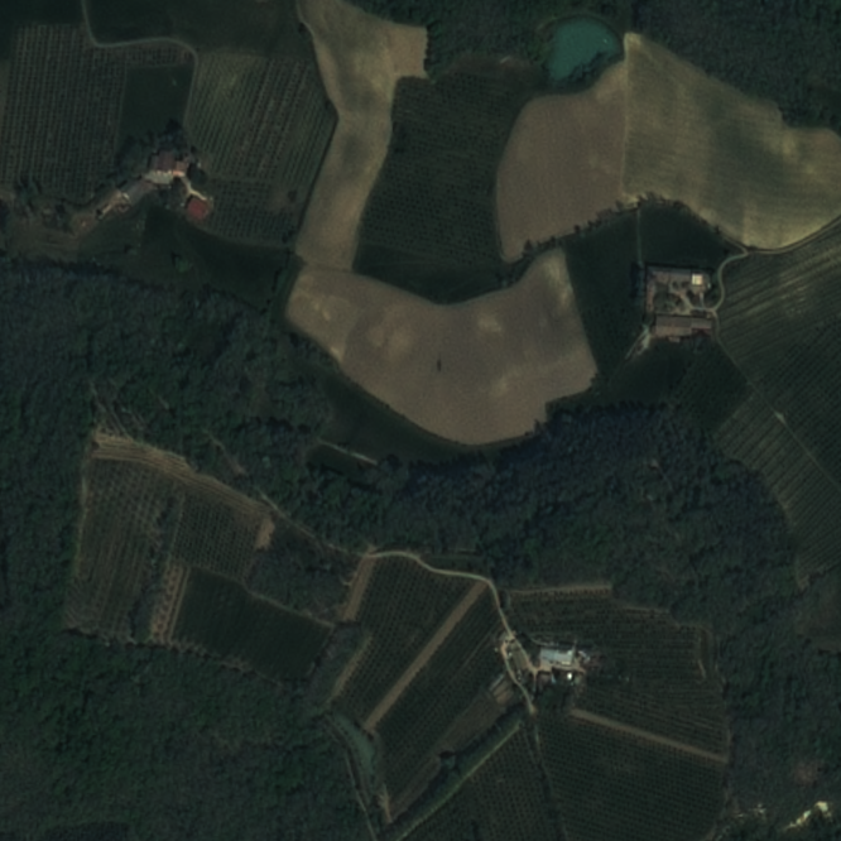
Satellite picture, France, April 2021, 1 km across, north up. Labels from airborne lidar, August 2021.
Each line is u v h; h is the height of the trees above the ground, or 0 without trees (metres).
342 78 0
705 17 23
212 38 0
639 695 6
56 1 0
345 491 26
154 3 0
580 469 28
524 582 19
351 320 0
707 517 26
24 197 20
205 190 0
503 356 0
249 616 0
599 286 0
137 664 18
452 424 0
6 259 17
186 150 15
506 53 22
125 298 19
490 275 0
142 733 20
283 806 23
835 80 15
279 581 22
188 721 24
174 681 22
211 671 18
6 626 15
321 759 18
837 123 12
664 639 6
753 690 10
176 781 21
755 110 0
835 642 0
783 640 24
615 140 0
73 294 23
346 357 0
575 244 0
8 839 10
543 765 11
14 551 22
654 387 0
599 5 8
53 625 24
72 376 18
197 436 18
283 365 17
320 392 22
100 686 25
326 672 22
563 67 0
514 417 0
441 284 0
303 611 14
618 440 22
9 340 18
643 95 0
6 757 16
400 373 0
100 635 10
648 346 0
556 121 0
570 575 20
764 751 17
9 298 22
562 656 0
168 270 0
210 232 0
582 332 0
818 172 0
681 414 11
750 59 20
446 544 12
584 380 0
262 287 0
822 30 26
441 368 0
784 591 14
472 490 31
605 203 0
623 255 0
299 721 22
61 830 13
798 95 18
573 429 21
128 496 7
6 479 18
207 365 15
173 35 0
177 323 16
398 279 0
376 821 12
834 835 10
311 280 0
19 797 18
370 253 0
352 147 0
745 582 22
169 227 0
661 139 0
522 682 16
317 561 19
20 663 16
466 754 6
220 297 23
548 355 0
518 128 0
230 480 18
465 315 0
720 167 0
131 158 17
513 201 0
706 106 0
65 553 21
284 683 7
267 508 0
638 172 0
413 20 15
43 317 23
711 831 0
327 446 0
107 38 0
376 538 21
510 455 0
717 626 14
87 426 14
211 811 17
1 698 16
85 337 21
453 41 20
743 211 0
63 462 17
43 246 0
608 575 19
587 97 0
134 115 0
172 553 14
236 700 25
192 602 0
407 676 0
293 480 17
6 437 22
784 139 0
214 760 13
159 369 17
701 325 0
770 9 19
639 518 21
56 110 6
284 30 0
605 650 17
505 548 23
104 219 0
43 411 17
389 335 0
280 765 24
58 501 22
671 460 21
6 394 19
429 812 15
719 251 0
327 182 0
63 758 23
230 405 22
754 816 25
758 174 0
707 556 17
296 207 0
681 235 0
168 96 0
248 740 21
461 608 0
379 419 0
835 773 10
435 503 26
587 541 20
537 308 0
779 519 11
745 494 26
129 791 23
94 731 21
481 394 0
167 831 22
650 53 0
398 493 18
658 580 20
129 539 6
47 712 21
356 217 0
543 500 20
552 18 21
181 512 16
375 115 0
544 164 0
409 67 0
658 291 13
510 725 19
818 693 18
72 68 5
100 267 0
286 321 0
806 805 13
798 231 0
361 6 13
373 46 0
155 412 18
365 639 17
